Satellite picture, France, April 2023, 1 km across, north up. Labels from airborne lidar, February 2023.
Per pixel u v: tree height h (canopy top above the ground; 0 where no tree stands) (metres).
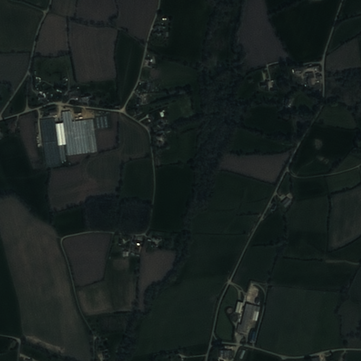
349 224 0
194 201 22
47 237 0
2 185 0
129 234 15
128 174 0
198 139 10
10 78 0
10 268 0
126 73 0
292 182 7
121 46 0
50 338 0
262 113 0
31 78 9
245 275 0
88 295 0
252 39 0
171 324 0
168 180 0
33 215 17
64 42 0
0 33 0
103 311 0
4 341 0
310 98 17
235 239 0
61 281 0
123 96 0
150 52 12
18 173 0
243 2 20
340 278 0
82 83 0
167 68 0
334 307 0
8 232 0
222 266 0
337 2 0
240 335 0
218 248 0
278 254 16
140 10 0
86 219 18
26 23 0
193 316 0
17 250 0
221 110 18
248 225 0
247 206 0
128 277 0
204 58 14
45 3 0
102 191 0
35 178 0
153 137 6
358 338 13
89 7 0
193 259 0
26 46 0
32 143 0
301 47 0
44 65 0
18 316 0
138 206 19
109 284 0
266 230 0
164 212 0
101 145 0
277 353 0
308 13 0
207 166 11
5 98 0
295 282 0
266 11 0
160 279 0
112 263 0
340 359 0
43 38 0
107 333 7
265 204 0
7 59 0
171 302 0
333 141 0
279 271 0
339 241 0
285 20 0
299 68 12
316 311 0
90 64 0
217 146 14
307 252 0
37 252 0
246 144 0
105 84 0
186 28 0
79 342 0
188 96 7
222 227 0
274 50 0
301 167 0
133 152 0
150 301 11
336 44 0
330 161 0
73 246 0
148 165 0
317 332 0
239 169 0
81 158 0
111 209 20
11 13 0
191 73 0
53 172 0
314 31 0
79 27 0
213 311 0
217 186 0
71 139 0
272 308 0
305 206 0
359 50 0
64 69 0
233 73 17
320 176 0
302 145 0
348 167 0
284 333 0
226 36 0
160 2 0
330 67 0
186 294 0
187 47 0
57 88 8
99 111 0
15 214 0
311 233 0
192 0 0
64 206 0
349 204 0
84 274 0
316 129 0
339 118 0
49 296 0
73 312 0
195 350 0
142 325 0
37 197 0
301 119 24
